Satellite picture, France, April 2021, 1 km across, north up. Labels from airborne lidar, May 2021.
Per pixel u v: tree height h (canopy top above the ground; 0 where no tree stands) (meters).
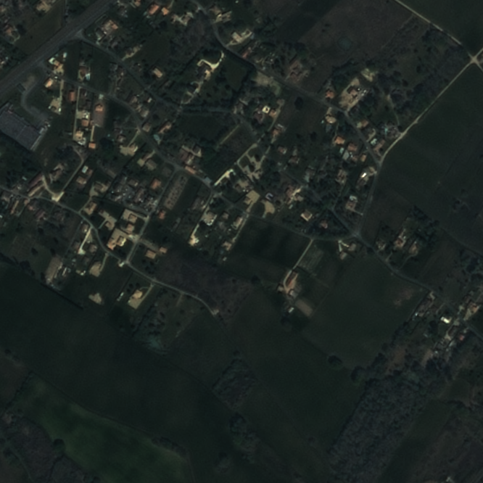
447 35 14
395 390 19
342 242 0
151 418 0
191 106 7
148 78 18
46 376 0
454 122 0
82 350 0
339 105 0
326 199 16
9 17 6
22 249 0
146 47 0
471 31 0
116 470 0
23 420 6
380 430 21
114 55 0
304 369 0
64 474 11
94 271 0
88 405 0
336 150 0
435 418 0
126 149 0
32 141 0
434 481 0
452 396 0
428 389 15
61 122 0
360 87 0
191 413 0
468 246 0
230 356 0
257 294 0
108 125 0
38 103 0
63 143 0
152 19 0
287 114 0
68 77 0
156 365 0
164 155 6
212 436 0
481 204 0
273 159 0
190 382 0
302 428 0
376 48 0
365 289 0
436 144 0
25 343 0
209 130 0
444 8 0
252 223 0
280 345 0
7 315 0
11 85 0
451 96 0
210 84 0
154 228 0
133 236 0
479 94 0
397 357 11
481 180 0
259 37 17
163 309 0
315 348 0
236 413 0
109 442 0
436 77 15
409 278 0
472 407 10
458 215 0
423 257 0
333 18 0
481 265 9
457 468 0
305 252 0
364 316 0
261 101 13
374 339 0
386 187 0
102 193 8
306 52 18
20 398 6
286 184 6
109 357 0
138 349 0
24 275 0
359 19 0
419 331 0
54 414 0
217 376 0
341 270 0
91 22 0
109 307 0
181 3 0
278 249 0
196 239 0
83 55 8
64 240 13
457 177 0
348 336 0
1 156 0
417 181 0
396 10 0
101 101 0
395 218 0
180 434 0
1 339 0
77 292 0
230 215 6
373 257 9
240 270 0
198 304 0
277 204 15
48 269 0
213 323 0
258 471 0
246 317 0
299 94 0
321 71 0
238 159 0
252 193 0
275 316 0
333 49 0
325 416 0
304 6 0
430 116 0
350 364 0
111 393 0
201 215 0
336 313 0
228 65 0
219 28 0
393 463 0
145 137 0
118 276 0
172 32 0
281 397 0
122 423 0
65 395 0
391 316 0
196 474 0
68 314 0
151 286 0
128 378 0
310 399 0
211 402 0
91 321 0
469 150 0
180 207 0
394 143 0
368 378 9
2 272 0
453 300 0
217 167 15
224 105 6
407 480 0
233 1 0
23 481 0
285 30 0
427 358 0
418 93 19
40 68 0
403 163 0
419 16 0
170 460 0
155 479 0
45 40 0
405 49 8
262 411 0
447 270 0
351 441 17
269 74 0
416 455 0
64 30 0
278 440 0
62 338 0
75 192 0
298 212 6
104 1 0
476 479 0
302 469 0
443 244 0
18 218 0
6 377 0
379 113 0
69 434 0
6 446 12
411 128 0
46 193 10
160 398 0
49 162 0
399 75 14
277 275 0
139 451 0
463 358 14
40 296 0
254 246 0
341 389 0
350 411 0
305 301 0
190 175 0
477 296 0
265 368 0
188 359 0
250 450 11
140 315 0
